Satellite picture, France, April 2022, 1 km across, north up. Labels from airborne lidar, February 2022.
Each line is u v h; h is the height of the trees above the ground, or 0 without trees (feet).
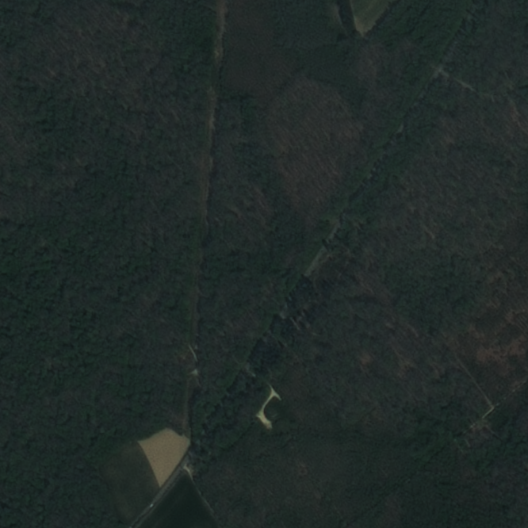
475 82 92
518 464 86
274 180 90
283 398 31
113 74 95
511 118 103
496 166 89
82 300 97
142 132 87
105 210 96
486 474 60
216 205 85
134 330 98
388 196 78
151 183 102
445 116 94
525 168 91
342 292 93
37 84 100
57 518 94
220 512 67
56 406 87
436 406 104
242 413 98
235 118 94
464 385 93
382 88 78
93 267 91
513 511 101
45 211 92
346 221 84
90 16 99
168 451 0
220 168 86
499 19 101
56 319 105
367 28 0
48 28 103
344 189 88
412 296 82
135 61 99
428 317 90
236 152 99
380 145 88
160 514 0
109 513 77
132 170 91
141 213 92
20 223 85
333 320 102
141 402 82
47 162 80
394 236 54
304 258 84
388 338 97
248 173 92
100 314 83
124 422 97
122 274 94
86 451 89
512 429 62
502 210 87
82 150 95
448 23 85
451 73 65
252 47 34
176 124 103
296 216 79
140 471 0
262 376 77
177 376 94
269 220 94
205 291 92
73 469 92
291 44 79
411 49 86
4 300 84
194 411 81
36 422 96
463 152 102
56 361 90
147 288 97
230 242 104
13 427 92
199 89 85
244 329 88
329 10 95
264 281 94
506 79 96
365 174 65
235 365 84
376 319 100
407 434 94
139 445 0
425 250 88
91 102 89
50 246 91
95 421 93
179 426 68
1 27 86
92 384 99
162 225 104
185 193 100
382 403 89
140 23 107
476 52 99
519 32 91
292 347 73
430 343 99
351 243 78
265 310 93
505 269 42
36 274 83
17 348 97
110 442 80
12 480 89
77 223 92
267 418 0
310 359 92
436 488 58
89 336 90
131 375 83
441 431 107
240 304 72
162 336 95
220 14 0
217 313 97
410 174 95
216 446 95
